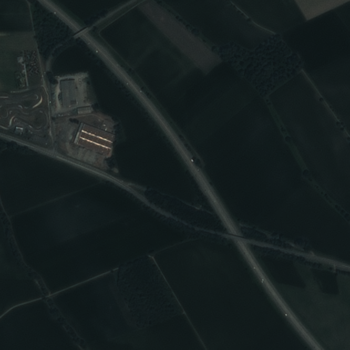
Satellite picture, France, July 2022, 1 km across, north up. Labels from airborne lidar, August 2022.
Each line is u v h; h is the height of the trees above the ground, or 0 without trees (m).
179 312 10
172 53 0
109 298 0
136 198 11
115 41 0
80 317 0
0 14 0
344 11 0
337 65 0
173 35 0
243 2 0
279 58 7
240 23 0
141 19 0
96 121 0
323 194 7
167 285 9
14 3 0
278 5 0
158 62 0
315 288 0
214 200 0
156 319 15
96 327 0
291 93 0
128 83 0
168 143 7
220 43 0
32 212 0
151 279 14
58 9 0
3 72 0
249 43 0
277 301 0
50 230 0
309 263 9
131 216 0
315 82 0
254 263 0
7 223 16
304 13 0
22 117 0
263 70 18
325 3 0
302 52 0
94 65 0
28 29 0
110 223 0
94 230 0
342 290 0
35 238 0
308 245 22
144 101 0
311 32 0
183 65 0
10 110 0
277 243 22
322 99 12
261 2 0
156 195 24
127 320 0
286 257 15
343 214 10
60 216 0
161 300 13
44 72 0
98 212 0
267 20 0
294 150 0
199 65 0
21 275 0
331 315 0
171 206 26
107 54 0
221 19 0
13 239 16
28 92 0
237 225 0
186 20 0
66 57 0
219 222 11
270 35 0
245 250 0
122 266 14
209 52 0
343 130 14
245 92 0
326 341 0
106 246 0
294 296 0
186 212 26
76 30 0
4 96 0
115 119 13
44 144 0
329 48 0
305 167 0
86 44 23
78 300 0
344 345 0
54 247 0
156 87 0
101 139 0
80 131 0
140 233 0
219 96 0
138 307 16
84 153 0
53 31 14
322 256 0
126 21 0
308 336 0
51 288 0
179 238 0
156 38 0
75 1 0
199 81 0
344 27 0
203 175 0
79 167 0
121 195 0
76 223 0
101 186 0
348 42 0
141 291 14
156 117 0
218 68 0
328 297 0
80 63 0
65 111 0
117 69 0
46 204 0
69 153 0
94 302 0
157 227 0
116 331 0
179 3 0
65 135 0
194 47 0
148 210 13
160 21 0
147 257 14
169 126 0
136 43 0
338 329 0
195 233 12
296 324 0
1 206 14
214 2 0
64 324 14
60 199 0
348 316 0
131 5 0
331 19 0
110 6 0
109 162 11
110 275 0
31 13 0
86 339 0
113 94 0
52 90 0
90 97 0
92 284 0
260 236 22
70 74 0
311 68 0
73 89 0
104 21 0
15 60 0
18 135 0
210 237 20
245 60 8
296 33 0
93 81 0
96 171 0
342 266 0
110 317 0
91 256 0
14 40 0
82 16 0
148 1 0
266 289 0
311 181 10
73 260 0
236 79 0
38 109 0
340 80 0
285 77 11
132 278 16
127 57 0
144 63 0
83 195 0
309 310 0
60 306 0
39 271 0
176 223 21
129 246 0
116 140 12
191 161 0
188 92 0
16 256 19
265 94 15
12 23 0
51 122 0
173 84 0
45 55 17
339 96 0
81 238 0
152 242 0
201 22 0
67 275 0
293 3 0
